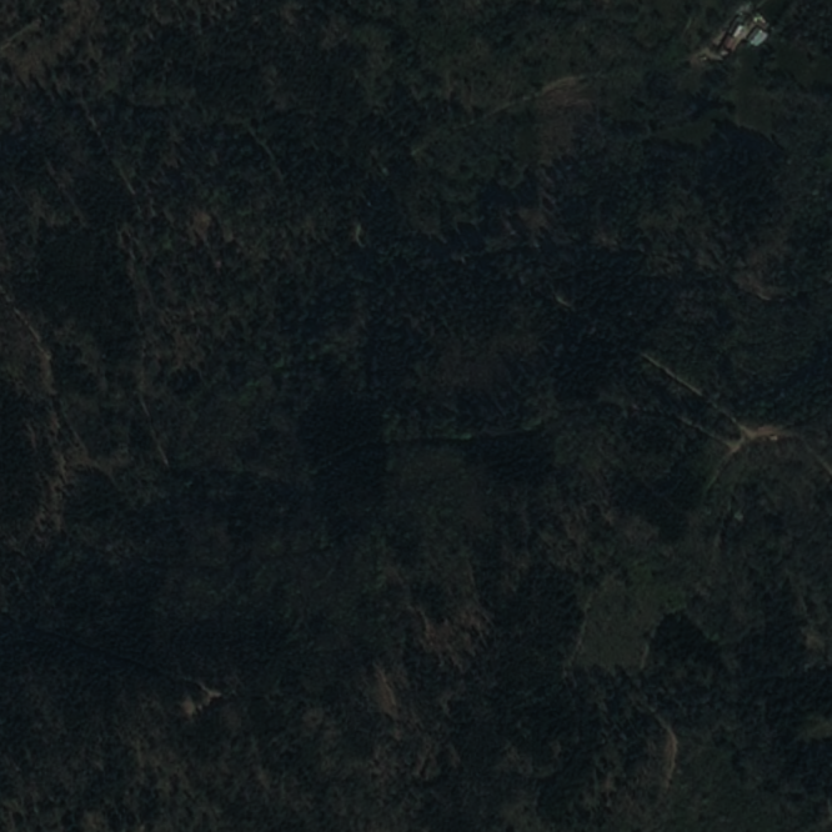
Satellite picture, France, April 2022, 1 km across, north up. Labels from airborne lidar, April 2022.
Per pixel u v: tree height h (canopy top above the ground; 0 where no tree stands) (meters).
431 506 19
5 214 32
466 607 27
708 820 11
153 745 18
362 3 11
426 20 16
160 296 30
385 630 18
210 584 24
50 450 24
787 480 24
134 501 20
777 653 17
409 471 17
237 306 33
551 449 17
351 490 21
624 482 16
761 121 0
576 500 23
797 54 0
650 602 17
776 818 13
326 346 31
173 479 15
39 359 18
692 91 0
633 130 14
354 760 14
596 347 23
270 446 19
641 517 19
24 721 27
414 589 10
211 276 31
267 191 25
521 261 35
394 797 10
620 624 19
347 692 18
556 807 21
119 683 23
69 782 24
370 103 25
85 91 24
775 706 28
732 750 23
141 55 29
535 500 17
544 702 20
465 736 22
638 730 19
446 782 19
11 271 30
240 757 20
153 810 18
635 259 25
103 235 17
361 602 18
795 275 12
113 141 38
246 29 28
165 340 33
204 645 23
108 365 21
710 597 22
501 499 19
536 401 30
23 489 20
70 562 24
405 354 25
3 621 18
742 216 34
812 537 28
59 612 15
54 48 17
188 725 18
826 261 17
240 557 15
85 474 22
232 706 14
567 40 7
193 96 34
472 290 36
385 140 24
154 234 31
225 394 29
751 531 27
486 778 21
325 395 21
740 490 19
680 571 21
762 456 20
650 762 21
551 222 0
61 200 34
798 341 16
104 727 20
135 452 8
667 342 8
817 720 9
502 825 19
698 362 9
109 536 20
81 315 19
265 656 21
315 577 20
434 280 33
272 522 20
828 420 13
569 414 21
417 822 18
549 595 23
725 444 13
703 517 25
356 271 27
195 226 25
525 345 12
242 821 20
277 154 25
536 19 24
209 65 25
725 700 26
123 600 22
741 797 8
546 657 17
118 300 21
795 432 13
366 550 21
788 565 26
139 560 15
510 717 26
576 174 28
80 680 24
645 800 19
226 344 23
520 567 13
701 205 15
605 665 16
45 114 36
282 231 25
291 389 19
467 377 14
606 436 26
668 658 12
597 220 32
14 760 23
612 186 25
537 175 11
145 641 23
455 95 9
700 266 19
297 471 21
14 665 27
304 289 28
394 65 7
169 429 27
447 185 17
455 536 17
